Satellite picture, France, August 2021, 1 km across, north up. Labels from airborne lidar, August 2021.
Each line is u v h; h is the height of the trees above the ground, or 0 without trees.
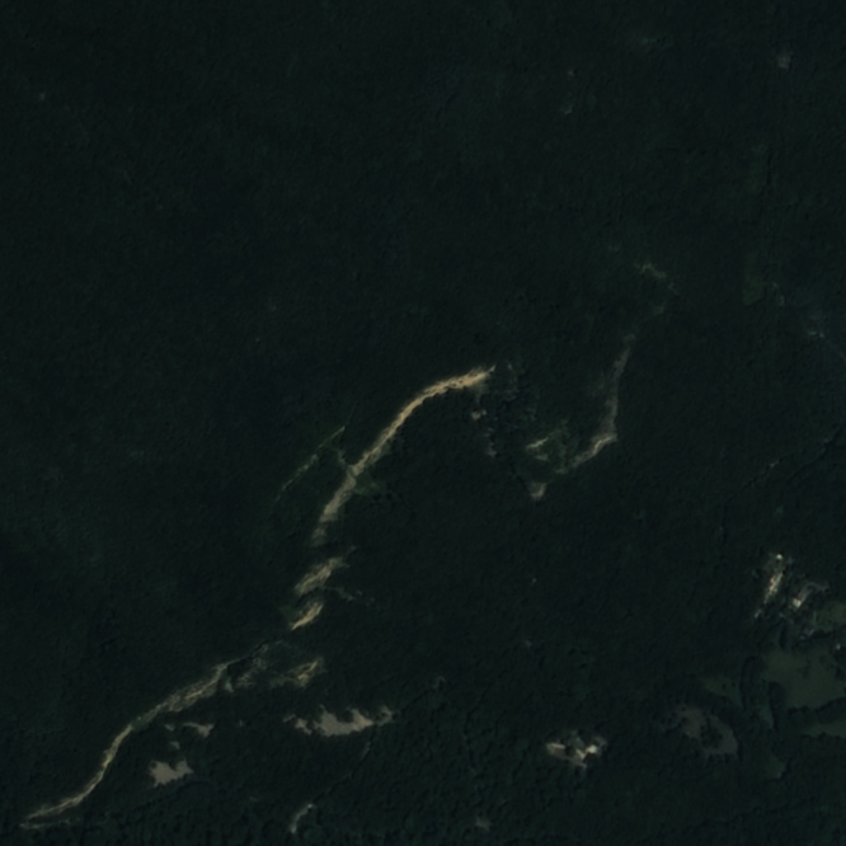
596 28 13
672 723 11
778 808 20
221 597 30
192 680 15
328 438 44
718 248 17
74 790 20
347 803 14
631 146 17
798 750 20
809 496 23
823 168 20
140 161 9
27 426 9
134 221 8
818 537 18
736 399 20
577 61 16
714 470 10
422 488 24
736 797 24
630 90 15
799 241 8
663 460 20
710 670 20
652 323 21
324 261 19
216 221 9
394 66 13
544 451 6
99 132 8
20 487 15
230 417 18
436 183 30
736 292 15
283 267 13
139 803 18
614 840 25
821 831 23
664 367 25
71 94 11
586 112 14
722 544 16
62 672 26
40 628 22
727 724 15
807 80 12
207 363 14
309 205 21
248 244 7
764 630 24
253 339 7
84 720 28
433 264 15
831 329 11
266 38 14
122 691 28
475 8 18
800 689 0
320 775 11
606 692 25
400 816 16
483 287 23
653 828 25
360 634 22
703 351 21
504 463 19
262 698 14
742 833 32
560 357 23
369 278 16
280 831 22
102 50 24
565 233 17
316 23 10
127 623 16
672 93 14
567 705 23
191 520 23
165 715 15
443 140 9
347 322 18
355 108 17
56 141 11
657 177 14
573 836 17
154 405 13
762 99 22
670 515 31
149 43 11
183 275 13
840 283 13
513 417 20
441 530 21
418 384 17
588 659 28
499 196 25
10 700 23
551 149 18
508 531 23
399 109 12
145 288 11
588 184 16
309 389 20
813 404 17
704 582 17
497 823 13
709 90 19
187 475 17
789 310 10
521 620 19
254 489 11
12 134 13
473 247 16
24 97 10
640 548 24
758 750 17
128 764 13
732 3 12
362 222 20
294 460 16
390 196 16
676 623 13
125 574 14
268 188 18
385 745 14
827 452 16
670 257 11
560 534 26
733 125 14
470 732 20
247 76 10
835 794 23
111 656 31
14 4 12
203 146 14
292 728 9
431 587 24
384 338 13
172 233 16
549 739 11
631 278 14
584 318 23
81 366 11
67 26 20
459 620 25
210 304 12
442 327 29
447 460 30
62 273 10
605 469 22
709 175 24
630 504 22
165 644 13
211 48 12
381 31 11
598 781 24
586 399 14
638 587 18
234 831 14
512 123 14
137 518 16
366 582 15
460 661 19
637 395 20
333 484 12
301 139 28
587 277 24
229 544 28
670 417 19
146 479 15
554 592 16
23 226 12
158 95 20
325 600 18
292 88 9
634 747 19
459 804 16
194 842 17
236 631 30
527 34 23
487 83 12
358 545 20
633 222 27
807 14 23
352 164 31
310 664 10
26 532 15
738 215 25
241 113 28
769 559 15
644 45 7
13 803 23
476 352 17
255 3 11
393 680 14
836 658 8
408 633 23
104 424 14
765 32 16
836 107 9
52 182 10
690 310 16
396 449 19
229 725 15
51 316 8
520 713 13
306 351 14
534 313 27
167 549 20
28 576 30
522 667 22
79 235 8
